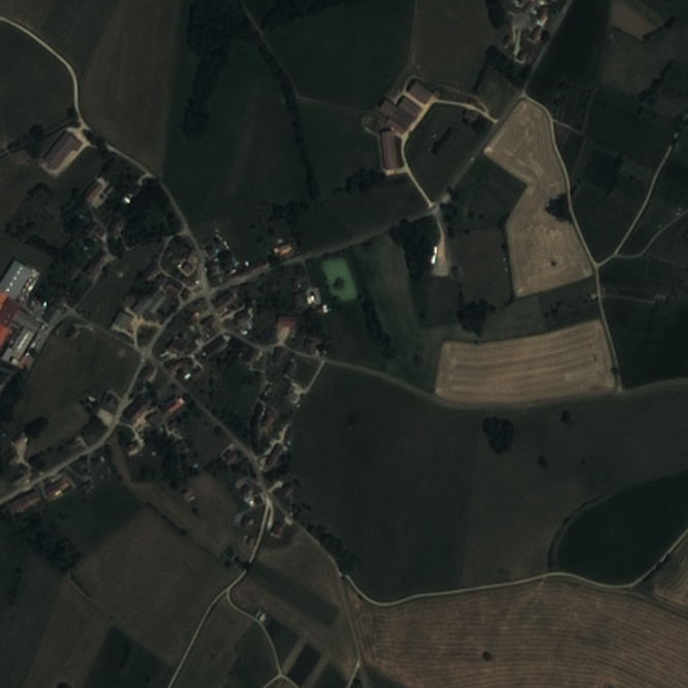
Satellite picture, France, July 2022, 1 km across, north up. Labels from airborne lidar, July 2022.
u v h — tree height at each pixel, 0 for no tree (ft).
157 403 34
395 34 0
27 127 0
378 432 0
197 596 0
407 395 0
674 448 0
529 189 0
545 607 0
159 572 0
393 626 0
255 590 0
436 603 0
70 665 0
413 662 0
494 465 0
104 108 0
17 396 61
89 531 0
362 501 0
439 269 0
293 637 0
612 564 0
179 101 0
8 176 0
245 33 55
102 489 0
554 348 0
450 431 0
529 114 0
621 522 0
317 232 0
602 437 0
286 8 87
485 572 0
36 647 0
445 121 0
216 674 0
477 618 0
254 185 0
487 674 0
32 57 0
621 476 0
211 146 0
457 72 0
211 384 21
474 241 0
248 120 0
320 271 0
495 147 0
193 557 0
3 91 0
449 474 0
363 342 0
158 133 0
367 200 0
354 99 0
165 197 36
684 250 0
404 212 0
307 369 0
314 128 0
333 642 0
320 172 0
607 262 0
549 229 0
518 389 0
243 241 0
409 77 0
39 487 0
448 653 0
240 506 0
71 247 20
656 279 0
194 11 53
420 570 0
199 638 0
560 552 0
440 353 0
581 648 0
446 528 0
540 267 0
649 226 0
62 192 0
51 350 0
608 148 0
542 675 0
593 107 0
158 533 0
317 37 0
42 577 0
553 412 0
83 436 21
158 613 0
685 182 0
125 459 0
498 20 60
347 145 0
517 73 49
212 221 0
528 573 0
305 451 0
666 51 0
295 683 0
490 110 0
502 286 0
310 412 0
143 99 0
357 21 0
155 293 0
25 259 0
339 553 29
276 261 45
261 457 0
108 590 0
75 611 0
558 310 25
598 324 0
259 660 0
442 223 0
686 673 0
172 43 0
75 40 0
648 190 0
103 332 0
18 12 0
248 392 0
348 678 0
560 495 0
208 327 0
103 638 0
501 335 0
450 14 0
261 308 30
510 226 0
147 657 0
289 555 0
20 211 0
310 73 0
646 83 0
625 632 0
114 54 0
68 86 0
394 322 0
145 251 0
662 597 0
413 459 0
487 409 0
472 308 47
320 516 0
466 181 0
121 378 0
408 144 0
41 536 64
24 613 0
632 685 0
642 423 0
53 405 0
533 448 0
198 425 0
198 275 0
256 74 0
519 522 0
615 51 0
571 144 0
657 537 0
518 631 0
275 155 0
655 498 0
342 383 0
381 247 0
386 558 0
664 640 0
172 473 35
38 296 44
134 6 0
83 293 0
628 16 0
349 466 0
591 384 0
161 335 0
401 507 0
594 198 0
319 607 0
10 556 0
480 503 0
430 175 0
